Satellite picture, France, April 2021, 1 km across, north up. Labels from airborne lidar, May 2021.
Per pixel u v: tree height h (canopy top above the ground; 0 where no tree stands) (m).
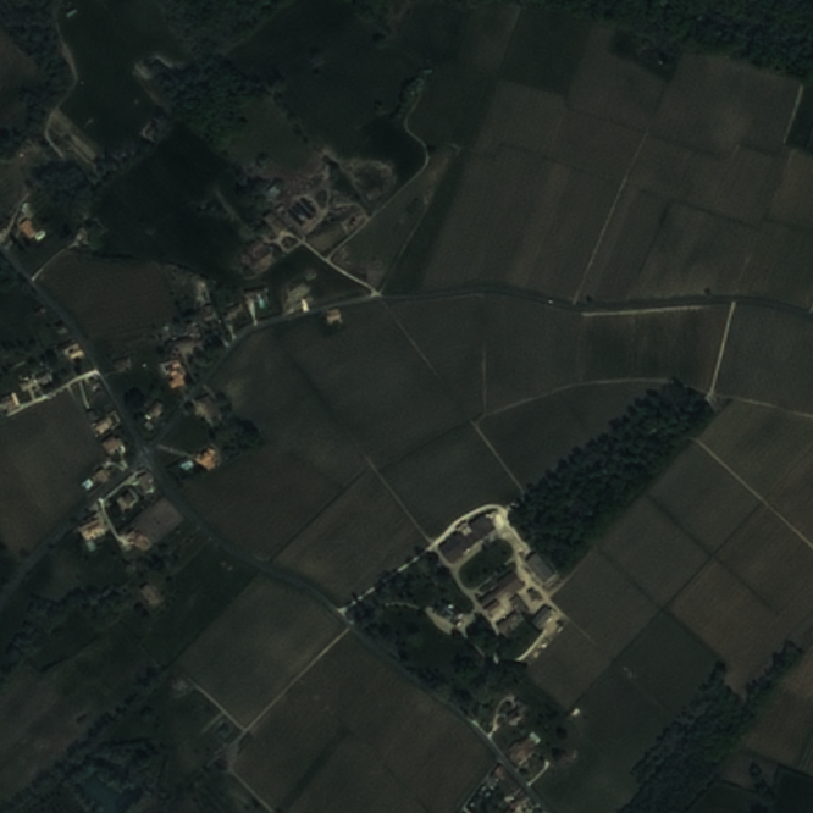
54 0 21
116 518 8
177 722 0
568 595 0
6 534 0
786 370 0
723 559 0
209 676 0
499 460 0
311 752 0
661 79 0
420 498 0
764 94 0
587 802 0
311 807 0
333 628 0
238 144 0
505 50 0
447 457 0
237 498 0
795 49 26
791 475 0
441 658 0
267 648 0
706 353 0
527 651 0
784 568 0
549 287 0
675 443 13
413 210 0
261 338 0
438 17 0
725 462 0
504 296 0
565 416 0
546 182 0
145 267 0
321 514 0
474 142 0
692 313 0
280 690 0
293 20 0
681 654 0
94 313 0
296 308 0
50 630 10
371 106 0
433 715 0
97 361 0
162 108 0
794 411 0
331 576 0
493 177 0
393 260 0
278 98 10
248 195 23
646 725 0
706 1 25
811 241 0
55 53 22
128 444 7
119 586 6
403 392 0
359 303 0
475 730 0
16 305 0
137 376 0
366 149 0
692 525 0
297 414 0
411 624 0
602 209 0
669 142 0
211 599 0
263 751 0
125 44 0
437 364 0
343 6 0
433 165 0
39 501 0
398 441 0
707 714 9
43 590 0
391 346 0
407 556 0
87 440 0
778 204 0
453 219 0
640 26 17
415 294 0
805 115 0
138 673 0
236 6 20
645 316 0
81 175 18
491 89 0
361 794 0
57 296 0
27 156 0
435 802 0
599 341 0
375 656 0
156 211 0
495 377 0
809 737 0
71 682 0
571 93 0
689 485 0
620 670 0
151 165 0
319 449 0
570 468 13
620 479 19
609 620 0
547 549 13
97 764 17
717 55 14
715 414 10
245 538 0
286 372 0
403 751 0
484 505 0
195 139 0
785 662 14
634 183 0
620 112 0
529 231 0
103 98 0
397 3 9
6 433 0
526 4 12
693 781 17
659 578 0
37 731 0
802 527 0
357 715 0
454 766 0
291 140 0
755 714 11
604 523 23
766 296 0
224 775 0
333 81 0
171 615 0
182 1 20
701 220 0
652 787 8
